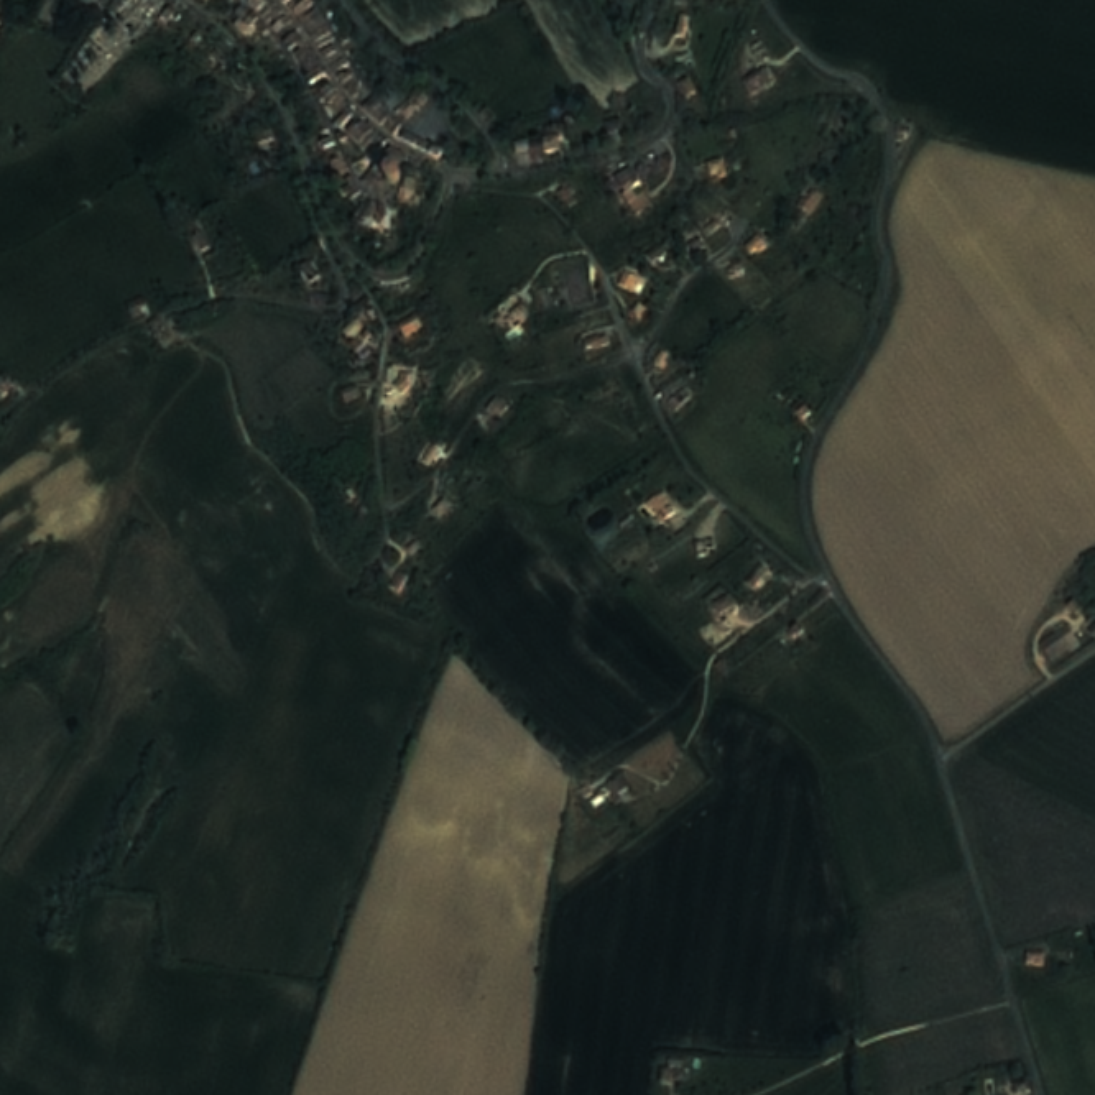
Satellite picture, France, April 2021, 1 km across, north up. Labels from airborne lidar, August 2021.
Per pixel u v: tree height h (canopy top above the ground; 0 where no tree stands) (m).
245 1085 0
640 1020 0
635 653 0
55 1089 0
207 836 0
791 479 0
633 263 13
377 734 0
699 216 21
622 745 0
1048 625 0
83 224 0
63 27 10
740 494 0
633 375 0
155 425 0
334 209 15
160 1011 0
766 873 0
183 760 0
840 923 0
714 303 0
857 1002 0
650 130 8
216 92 14
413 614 8
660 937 0
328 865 0
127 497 0
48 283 0
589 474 0
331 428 0
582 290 0
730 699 0
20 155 0
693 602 0
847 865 0
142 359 0
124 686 0
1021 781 0
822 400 7
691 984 0
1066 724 0
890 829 0
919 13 0
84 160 0
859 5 0
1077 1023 0
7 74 0
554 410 0
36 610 0
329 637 0
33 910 0
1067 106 0
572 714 0
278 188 0
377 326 6
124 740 0
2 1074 0
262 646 0
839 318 0
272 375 0
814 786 0
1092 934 14
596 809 0
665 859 0
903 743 0
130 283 0
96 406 0
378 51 16
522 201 0
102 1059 0
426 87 11
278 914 0
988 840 0
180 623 0
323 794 0
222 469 0
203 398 0
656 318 9
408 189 0
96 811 0
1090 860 0
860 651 0
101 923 0
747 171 9
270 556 0
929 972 0
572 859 0
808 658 0
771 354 0
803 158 7
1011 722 0
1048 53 0
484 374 0
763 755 0
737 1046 0
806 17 0
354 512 5
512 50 0
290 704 0
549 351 0
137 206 0
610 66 0
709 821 0
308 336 10
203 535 0
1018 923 0
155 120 0
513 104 0
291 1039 0
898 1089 0
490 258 0
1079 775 0
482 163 16
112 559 0
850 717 0
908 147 0
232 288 8
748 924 0
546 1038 0
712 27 0
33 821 0
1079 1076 0
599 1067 0
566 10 0
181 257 0
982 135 0
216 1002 0
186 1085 0
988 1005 0
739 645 7
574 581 0
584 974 0
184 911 0
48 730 0
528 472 0
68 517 0
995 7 0
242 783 0
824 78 0
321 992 6
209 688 0
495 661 0
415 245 7
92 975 0
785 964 0
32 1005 0
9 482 0
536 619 0
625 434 0
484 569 0
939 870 0
